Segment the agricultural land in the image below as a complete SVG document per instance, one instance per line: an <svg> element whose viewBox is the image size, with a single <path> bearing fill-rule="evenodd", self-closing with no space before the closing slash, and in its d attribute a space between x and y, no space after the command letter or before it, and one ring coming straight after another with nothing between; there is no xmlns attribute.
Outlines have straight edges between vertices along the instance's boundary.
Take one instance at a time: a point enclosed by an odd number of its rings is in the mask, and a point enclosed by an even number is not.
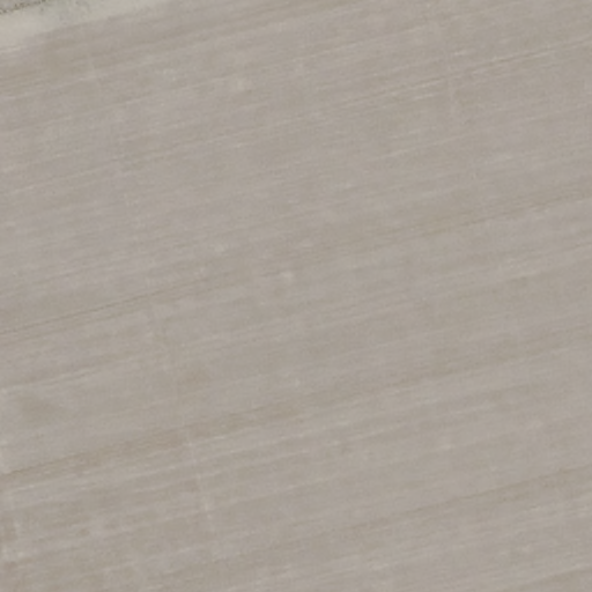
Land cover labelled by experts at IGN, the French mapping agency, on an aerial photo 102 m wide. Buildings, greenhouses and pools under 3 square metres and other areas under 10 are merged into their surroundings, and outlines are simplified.
<svg viewBox="0 0 592 592"><path fill-rule="evenodd" d="M0 0L0 592L592 592L592 0Z"/></svg>

